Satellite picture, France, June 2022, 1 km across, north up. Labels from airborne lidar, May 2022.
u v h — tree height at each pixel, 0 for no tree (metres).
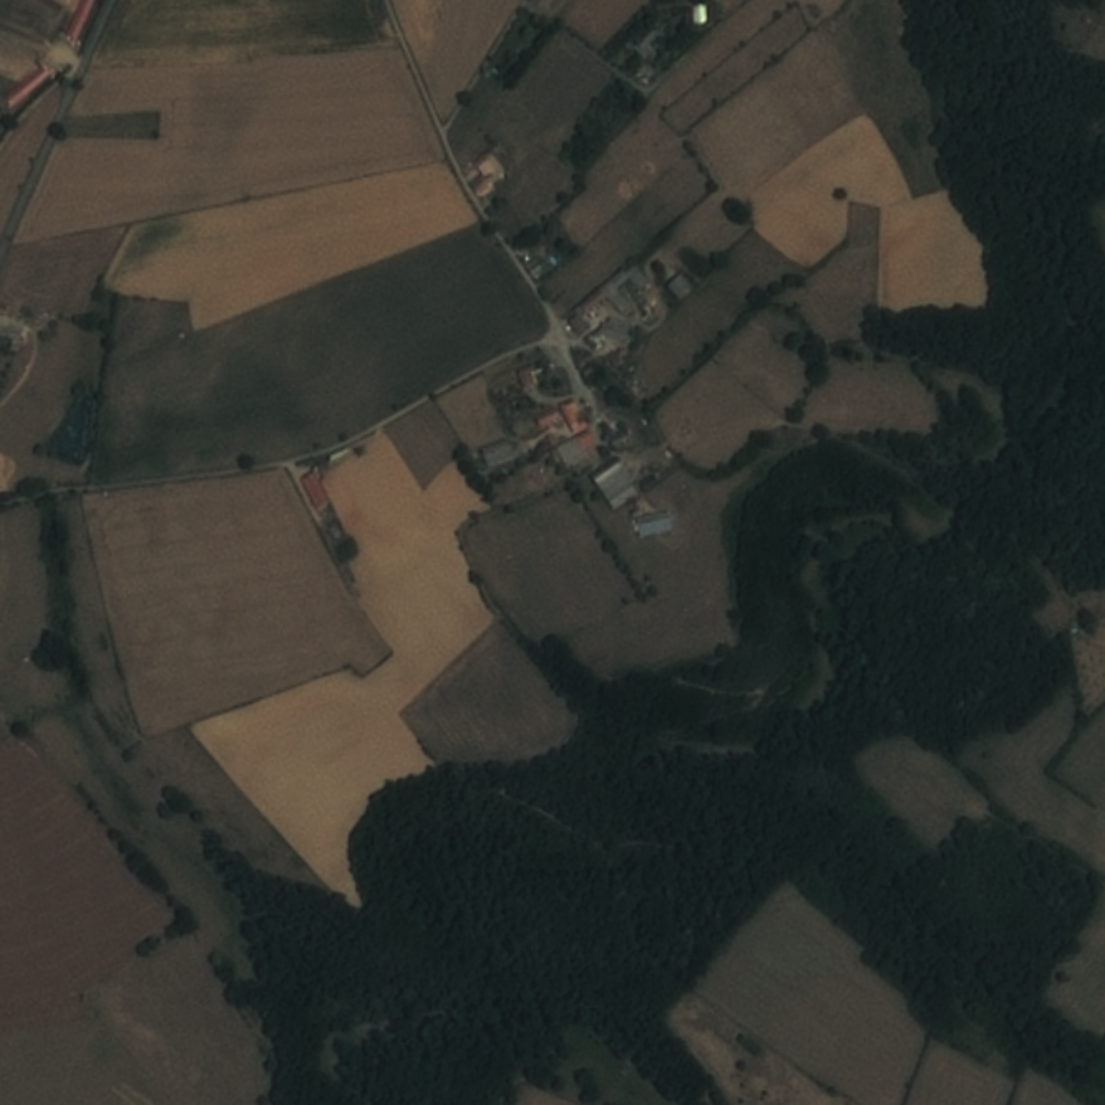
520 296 0
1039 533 17
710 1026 0
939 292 0
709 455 0
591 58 0
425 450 0
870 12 0
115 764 0
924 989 17
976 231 12
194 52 0
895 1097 0
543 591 0
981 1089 0
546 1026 8
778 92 0
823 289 0
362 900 6
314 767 0
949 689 17
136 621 0
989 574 17
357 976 10
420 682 0
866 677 24
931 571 20
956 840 11
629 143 0
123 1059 0
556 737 0
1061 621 0
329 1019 8
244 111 0
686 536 0
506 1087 9
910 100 0
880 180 0
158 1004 0
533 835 6
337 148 0
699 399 0
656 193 0
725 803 15
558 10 0
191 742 0
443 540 0
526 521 0
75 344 0
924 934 15
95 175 0
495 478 6
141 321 0
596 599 0
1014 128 14
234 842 0
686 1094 17
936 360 11
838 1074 0
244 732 0
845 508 6
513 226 0
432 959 13
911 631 11
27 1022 0
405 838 16
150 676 0
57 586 0
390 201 0
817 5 0
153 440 0
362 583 0
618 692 14
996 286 16
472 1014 22
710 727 6
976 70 16
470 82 0
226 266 0
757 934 0
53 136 13
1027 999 16
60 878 0
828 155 0
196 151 0
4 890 0
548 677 7
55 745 0
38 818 0
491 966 23
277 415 0
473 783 14
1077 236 23
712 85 0
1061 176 24
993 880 6
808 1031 0
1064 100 11
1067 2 11
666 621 0
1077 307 23
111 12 0
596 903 21
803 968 0
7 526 0
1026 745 0
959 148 17
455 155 0
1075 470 15
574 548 0
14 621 0
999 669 19
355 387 0
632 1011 20
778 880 16
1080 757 0
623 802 19
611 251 0
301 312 0
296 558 0
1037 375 16
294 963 9
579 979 13
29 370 0
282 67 0
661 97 0
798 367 0
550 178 0
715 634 0
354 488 0
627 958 10
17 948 0
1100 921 0
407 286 0
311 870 0
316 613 0
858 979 0
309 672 0
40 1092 0
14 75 0
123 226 0
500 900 11
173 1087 0
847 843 17
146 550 0
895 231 0
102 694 0
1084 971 0
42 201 0
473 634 0
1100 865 0
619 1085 0
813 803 12
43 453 13
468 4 0
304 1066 23
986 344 19
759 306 13
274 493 0
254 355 0
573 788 13
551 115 0
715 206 0
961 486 16
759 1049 10
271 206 0
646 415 7
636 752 14
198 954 0
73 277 0
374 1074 23
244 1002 18
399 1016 12
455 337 0
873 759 0
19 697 0
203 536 0
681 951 8
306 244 0
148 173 0
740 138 0
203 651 0
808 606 6
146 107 0
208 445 0
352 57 0
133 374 0
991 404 0
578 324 0
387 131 0
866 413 0
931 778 0
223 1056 0
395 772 0
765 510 9
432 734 0
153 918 0
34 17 0
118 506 0
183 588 0
